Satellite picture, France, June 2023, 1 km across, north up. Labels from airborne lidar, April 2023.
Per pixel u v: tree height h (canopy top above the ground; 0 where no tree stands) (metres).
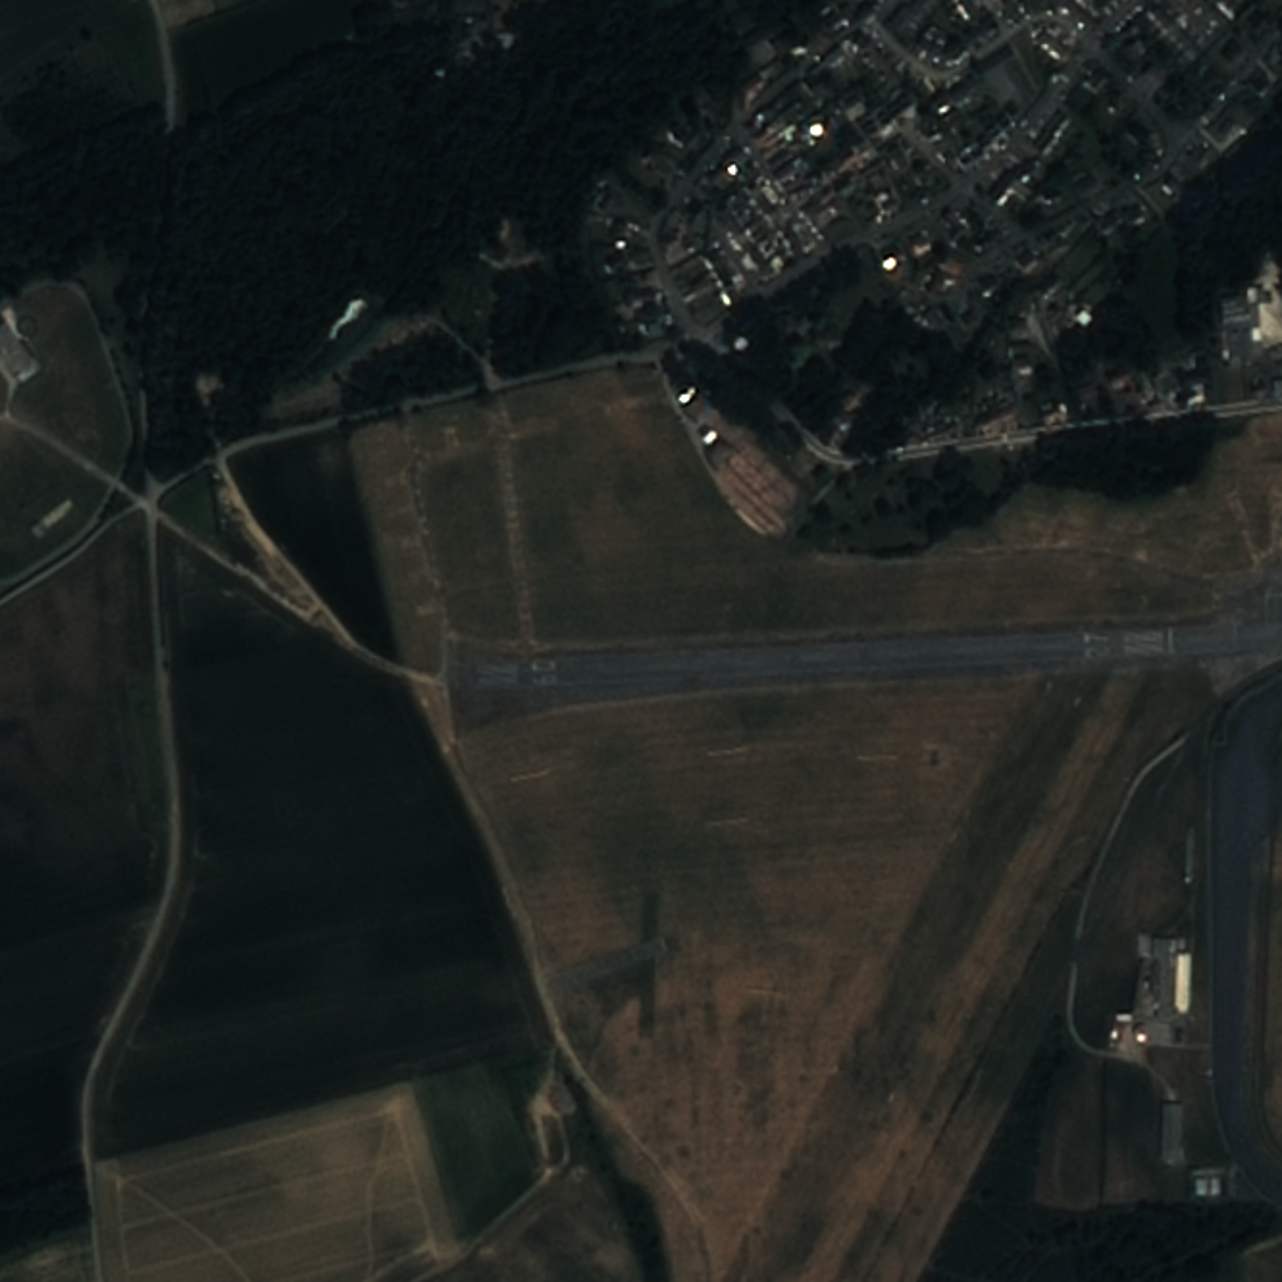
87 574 0
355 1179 0
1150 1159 0
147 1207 0
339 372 0
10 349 0
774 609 0
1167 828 0
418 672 0
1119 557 0
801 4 22
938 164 0
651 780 0
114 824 0
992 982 0
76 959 0
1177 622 0
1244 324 0
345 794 0
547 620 0
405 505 0
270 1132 0
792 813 0
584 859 0
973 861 0
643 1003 0
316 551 0
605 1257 0
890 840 0
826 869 0
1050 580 0
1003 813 0
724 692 0
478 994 0
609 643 0
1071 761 0
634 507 0
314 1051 0
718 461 0
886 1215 0
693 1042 0
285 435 0
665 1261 5
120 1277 0
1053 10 0
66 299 0
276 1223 0
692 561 0
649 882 0
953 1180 0
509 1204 0
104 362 0
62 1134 0
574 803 0
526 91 25
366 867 0
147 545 0
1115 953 0
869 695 0
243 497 0
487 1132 0
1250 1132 0
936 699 0
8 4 0
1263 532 0
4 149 0
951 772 0
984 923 0
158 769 0
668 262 0
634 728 0
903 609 0
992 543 0
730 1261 0
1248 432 0
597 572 0
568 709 0
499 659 0
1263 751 0
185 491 0
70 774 0
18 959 0
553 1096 0
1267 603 0
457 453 0
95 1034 0
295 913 0
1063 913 0
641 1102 0
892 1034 0
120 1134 0
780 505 0
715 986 0
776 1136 0
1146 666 0
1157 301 0
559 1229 0
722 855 0
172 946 0
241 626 0
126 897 0
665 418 0
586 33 19
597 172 13
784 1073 0
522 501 0
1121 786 0
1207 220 25
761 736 0
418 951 0
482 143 13
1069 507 0
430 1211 0
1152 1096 0
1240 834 0
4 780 0
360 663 0
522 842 0
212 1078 0
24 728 0
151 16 0
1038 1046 0
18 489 0
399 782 0
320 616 0
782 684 0
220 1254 0
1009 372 6
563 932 0
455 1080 0
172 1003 0
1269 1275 0
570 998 0
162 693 0
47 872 0
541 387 0
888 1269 0
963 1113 0
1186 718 0
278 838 0
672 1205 0
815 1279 0
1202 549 0
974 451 0
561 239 18
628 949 0
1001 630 0
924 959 0
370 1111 0
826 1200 0
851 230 0
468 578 0
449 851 0
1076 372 19
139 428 8
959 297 0
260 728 0
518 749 0
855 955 0
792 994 0
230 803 0
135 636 0
